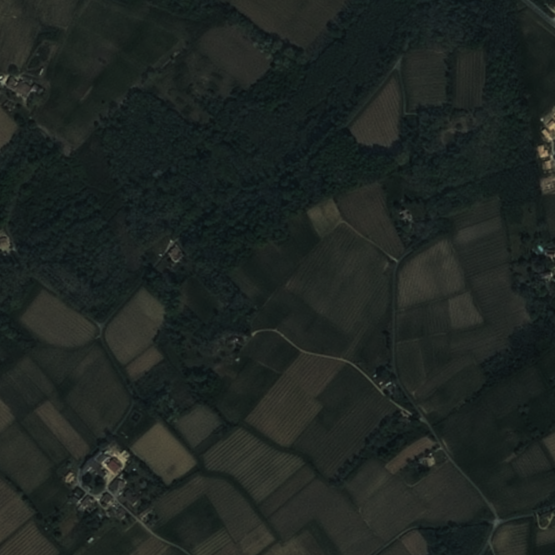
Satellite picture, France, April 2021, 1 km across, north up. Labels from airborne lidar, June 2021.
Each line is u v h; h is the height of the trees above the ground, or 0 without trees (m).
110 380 0
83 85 0
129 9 0
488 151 12
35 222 10
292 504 0
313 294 0
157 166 24
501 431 0
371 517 0
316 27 0
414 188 11
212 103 10
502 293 0
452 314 0
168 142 25
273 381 0
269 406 0
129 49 0
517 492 0
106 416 0
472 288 0
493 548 0
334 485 15
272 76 6
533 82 0
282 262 0
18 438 0
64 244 24
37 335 0
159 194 17
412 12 26
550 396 0
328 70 20
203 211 19
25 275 33
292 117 11
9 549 0
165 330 11
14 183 19
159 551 0
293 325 0
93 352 0
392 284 0
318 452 0
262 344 0
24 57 0
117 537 0
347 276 0
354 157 23
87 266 8
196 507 0
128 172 24
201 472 0
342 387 0
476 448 0
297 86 16
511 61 21
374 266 0
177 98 0
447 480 0
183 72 0
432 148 17
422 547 0
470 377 0
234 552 0
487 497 0
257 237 26
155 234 32
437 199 14
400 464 0
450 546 6
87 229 27
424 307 0
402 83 0
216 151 19
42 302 0
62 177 15
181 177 21
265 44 27
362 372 0
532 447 0
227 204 22
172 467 0
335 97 16
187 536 0
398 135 0
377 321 0
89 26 0
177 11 8
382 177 19
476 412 0
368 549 0
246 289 0
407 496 0
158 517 7
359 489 0
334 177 23
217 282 17
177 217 9
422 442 0
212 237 23
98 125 12
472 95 0
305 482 0
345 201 0
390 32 21
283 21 0
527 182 22
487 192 10
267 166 17
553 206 0
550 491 0
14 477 0
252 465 0
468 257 0
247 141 21
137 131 19
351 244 0
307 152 15
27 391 0
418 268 0
